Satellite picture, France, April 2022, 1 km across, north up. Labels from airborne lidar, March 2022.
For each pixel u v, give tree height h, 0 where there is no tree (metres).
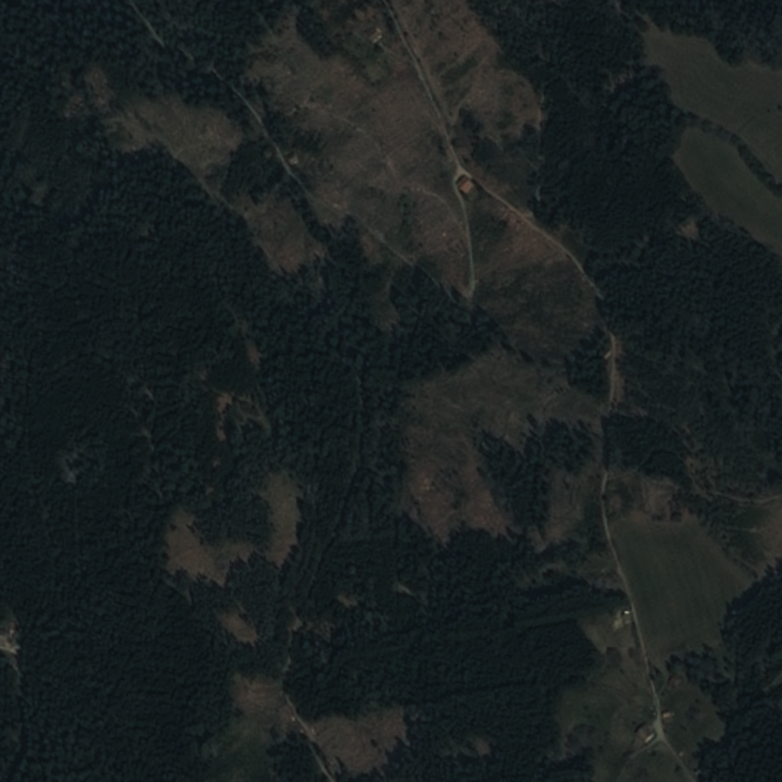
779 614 28
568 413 0
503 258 0
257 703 0
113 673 24
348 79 0
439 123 0
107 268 22
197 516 18
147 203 25
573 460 22
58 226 11
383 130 0
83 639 20
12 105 27
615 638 0
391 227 0
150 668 18
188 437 15
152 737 21
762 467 6
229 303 28
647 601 0
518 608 29
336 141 0
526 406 0
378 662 16
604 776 0
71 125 6
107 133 9
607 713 0
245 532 29
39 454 17
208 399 8
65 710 16
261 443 21
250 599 25
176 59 25
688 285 30
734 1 21
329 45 26
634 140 25
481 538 11
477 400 0
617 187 21
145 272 28
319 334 28
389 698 29
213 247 31
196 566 0
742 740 27
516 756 23
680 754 0
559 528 0
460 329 20
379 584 11
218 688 24
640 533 0
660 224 19
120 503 8
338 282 34
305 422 21
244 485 21
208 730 30
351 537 28
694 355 24
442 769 25
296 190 22
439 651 24
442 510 34
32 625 18
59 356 19
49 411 10
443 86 0
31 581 20
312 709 14
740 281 27
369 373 11
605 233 19
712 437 9
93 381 10
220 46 22
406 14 0
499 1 14
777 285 25
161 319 16
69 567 9
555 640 19
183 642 21
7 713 26
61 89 27
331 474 10
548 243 0
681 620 0
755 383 24
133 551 10
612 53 14
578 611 25
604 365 19
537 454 19
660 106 22
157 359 20
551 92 12
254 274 30
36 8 33
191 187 34
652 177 21
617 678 0
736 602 0
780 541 0
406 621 14
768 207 0
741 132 0
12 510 17
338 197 0
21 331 16
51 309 15
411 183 0
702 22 21
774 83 0
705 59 0
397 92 0
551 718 19
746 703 14
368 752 0
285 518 0
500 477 25
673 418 8
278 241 0
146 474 21
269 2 24
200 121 0
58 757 32
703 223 22
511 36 15
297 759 24
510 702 24
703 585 0
